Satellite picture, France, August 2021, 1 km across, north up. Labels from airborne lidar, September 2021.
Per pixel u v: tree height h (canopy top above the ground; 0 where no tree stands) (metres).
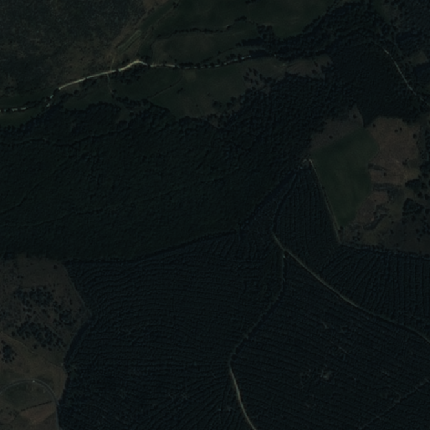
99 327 14
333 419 15
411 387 12
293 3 0
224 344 17
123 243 13
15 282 0
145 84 0
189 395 14
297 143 7
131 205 7
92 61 0
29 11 0
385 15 0
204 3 0
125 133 7
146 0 0
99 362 22
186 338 16
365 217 0
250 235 19
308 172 15
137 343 16
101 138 15
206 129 15
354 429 12
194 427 15
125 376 23
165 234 11
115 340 19
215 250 19
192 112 0
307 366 11
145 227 12
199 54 0
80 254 10
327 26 6
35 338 11
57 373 0
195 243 19
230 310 16
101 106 14
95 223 11
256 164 7
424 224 8
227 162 16
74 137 15
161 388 16
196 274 16
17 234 10
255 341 12
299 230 16
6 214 12
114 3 0
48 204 11
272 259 15
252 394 12
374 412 13
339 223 0
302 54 15
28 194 11
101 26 0
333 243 16
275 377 13
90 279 14
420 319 9
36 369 0
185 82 0
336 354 15
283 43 11
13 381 0
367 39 14
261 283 15
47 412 0
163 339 19
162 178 14
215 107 7
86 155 11
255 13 0
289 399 12
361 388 14
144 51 0
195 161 17
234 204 11
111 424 12
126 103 11
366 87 13
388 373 14
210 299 18
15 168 13
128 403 19
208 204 14
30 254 7
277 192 16
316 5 0
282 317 19
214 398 9
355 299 14
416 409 17
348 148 0
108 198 12
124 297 17
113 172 13
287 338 12
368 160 0
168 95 0
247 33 0
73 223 12
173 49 0
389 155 0
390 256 17
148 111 10
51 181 14
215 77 0
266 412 11
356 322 20
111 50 0
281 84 10
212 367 14
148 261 19
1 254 7
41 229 11
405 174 0
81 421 14
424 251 0
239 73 0
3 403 0
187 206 13
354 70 11
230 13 0
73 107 0
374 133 0
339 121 0
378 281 18
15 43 0
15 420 0
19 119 0
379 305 19
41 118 13
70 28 0
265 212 17
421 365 18
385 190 0
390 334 17
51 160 14
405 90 17
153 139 17
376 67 10
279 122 15
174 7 7
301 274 19
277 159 12
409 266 15
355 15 12
